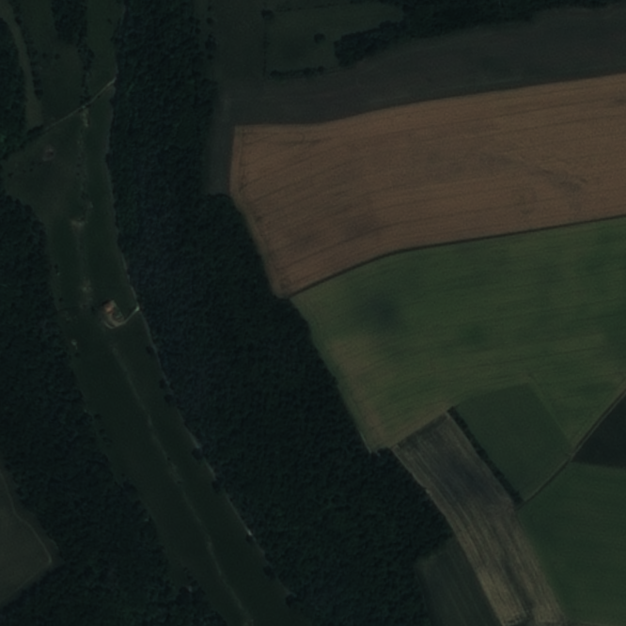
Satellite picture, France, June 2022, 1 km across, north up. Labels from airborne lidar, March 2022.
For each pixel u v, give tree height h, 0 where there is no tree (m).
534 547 0
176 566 0
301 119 0
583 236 0
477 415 0
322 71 9
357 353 0
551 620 0
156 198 9
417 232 0
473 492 0
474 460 0
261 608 0
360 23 0
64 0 13
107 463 21
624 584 0
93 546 25
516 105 0
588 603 0
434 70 0
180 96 17
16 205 10
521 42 0
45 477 22
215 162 0
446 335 0
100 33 0
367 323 0
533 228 0
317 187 0
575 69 0
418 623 15
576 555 0
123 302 0
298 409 15
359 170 0
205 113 7
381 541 7
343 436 12
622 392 0
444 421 0
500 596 0
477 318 0
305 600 21
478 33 0
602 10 0
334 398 13
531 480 0
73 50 0
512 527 0
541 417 0
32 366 18
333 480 21
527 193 0
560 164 0
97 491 23
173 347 19
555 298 0
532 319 0
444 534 12
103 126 0
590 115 0
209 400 19
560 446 0
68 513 22
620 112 0
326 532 17
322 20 0
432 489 0
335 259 0
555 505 0
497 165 0
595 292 0
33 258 22
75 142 0
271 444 20
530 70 0
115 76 0
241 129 0
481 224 0
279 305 10
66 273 0
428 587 0
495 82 0
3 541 0
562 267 0
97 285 0
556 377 0
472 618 0
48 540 0
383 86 0
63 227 0
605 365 0
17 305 19
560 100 0
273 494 15
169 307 16
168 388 19
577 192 0
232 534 0
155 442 0
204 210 16
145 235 18
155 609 19
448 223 0
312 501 14
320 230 0
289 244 0
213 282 12
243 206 0
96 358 0
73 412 28
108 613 17
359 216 0
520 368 0
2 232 15
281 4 0
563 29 0
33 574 0
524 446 0
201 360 26
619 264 0
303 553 16
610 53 0
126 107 12
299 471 16
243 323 10
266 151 0
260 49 0
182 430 0
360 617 19
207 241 9
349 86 0
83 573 21
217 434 15
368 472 17
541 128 0
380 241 0
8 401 23
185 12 12
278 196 0
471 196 0
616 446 0
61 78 0
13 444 20
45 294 23
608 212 0
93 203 0
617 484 0
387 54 0
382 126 0
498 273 0
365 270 0
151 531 20
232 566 0
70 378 29
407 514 16
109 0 0
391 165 0
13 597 0
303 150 0
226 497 0
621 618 0
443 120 0
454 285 0
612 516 0
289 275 0
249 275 7
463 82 0
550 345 0
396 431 0
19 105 23
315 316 0
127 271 0
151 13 17
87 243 0
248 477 17
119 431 0
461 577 0
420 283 0
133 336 0
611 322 0
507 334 0
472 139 0
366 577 18
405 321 0
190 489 0
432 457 0
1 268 22
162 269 17
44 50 0
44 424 24
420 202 0
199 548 0
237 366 19
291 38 0
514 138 0
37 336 11
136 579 21
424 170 0
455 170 0
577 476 0
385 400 0
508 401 0
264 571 0
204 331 16
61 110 0
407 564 17
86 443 28
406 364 0
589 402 0
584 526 0
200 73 15
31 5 0
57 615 20
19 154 0
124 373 0
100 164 0
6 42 15
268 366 14
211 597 0
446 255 0
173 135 18
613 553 0
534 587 0
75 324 0
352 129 0
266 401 18
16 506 0
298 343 14
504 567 0
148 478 0
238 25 0
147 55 20
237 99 0
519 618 0
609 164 0
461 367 0
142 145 16
